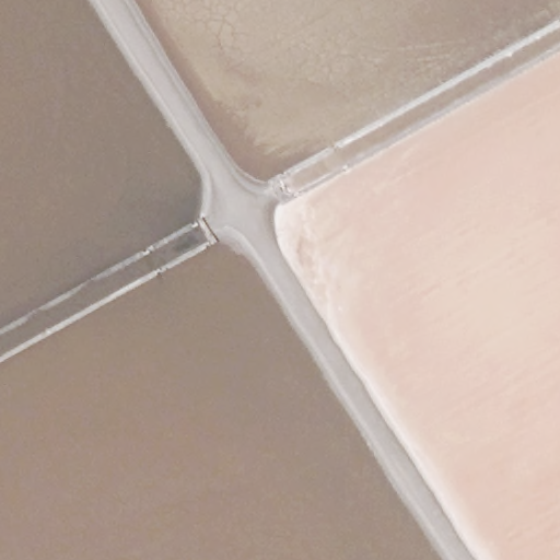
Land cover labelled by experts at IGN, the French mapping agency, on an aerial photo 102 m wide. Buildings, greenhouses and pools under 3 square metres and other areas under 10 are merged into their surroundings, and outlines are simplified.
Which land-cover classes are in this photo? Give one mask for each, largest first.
<instances>
[{"label":"water","instance_id":"1","mask_svg":"<svg viewBox=\"0 0 560 560\"><path fill-rule=\"evenodd\" d=\"M201 210V175L90 0H0V328L22 317L26 311L46 304L48 300L70 291L77 284H83V291L74 298L61 302L50 311H44L42 315L28 319L20 328L0 337V354L31 339L33 335L46 330L48 326L70 317L72 313L85 308L88 304L109 295L123 284L193 249L206 238L201 230H195L101 282H96L94 278L112 265L125 260L127 256L164 238L166 234L197 221ZM142 18L147 20L149 28L158 37L164 55L168 57L182 83L186 85L199 112L203 114L208 127L230 155V160L243 173H249L256 179L265 182L284 173L298 162L315 155L328 144L346 138L348 133L361 129L363 125L376 120L378 116L396 109L398 105L433 90L435 85L473 68L486 57L547 26L560 15V0H133ZM343 164L352 168V175L343 177L341 182H335L311 201H306L300 193L295 199L280 203L273 214L278 245L287 263L300 278L315 308L326 319L335 341L341 346L354 372L363 378L368 392L383 411L385 420L413 457L422 477L433 488L435 497L451 516L462 540L477 560H560V28L534 42L532 46L518 50L516 55L494 63L492 68L475 74L473 79L446 90L429 103L407 112L405 116L387 123L385 127L368 133L365 138L348 144L346 149H339L337 153L317 162L315 166L302 171L293 179L295 188L306 186L319 179L322 175L337 171ZM0 560H442L440 551L424 534L413 512L394 490L376 455L370 451L365 438L354 424L352 416L333 392L322 368L313 359L308 346L302 341L293 324L289 322L282 304L267 287L256 265L245 254L234 252L223 241L210 245L199 256L182 263L179 267L166 273H160L151 282L125 293L107 306L90 313L88 317L70 324L68 328L50 335L48 339L0 363Z\"/></svg>","mask_w":560,"mask_h":560},{"label":"pervious surface","instance_id":"2","mask_svg":"<svg viewBox=\"0 0 560 560\"><path fill-rule=\"evenodd\" d=\"M201 175V210L197 221L166 234L164 238L127 256L125 260L112 265L94 278L96 282H101L195 230H201L206 238L193 249L123 284L109 295L88 304L85 308L72 313L70 317L48 326L46 330L33 335L31 339L0 354V363L48 339L50 335L68 328L70 324L88 317L90 313L107 306L125 293L151 282L160 273H166L179 267L182 263L199 256L210 245L223 241L234 252L245 254L256 265L267 287L282 304L289 322L293 324L302 341L308 346L313 359L322 368L333 392L352 416L354 424L365 438L370 451L376 455L394 490L413 512L424 534L440 551L442 560H477L462 540L451 516L435 497L433 488L422 477L413 457L385 420L383 411L368 392L363 378L354 372L341 346L335 341L326 319L315 308L300 278L287 263L278 245L273 214L280 203L295 199L300 193L306 201H311L335 182H341L343 177L352 175V168L343 164L337 171L322 175L319 179L306 186L295 188L293 179L302 171L315 166L317 162L337 153L339 149H346L348 144L365 138L368 133L385 127L387 123L405 116L407 112L429 103L446 90L473 79L475 74L492 68L494 63L516 55L518 50L532 46L534 42L560 28V15L547 26L486 57L473 68L435 85L433 90L398 105L396 109L378 116L376 120L363 125L361 129L348 133L346 138L328 144L315 155L298 162L284 173L265 182L256 179L249 173H243L230 160V155L208 127L203 114L199 112L186 85L182 83L168 57L164 55L158 37L149 28L147 20L142 18L133 0H90ZM83 291V284H77L70 291L48 300L46 304L26 311L22 317L0 328V337L20 328L28 319L42 315L44 311H50L61 302L74 298Z\"/></svg>","mask_w":560,"mask_h":560}]
</instances>
